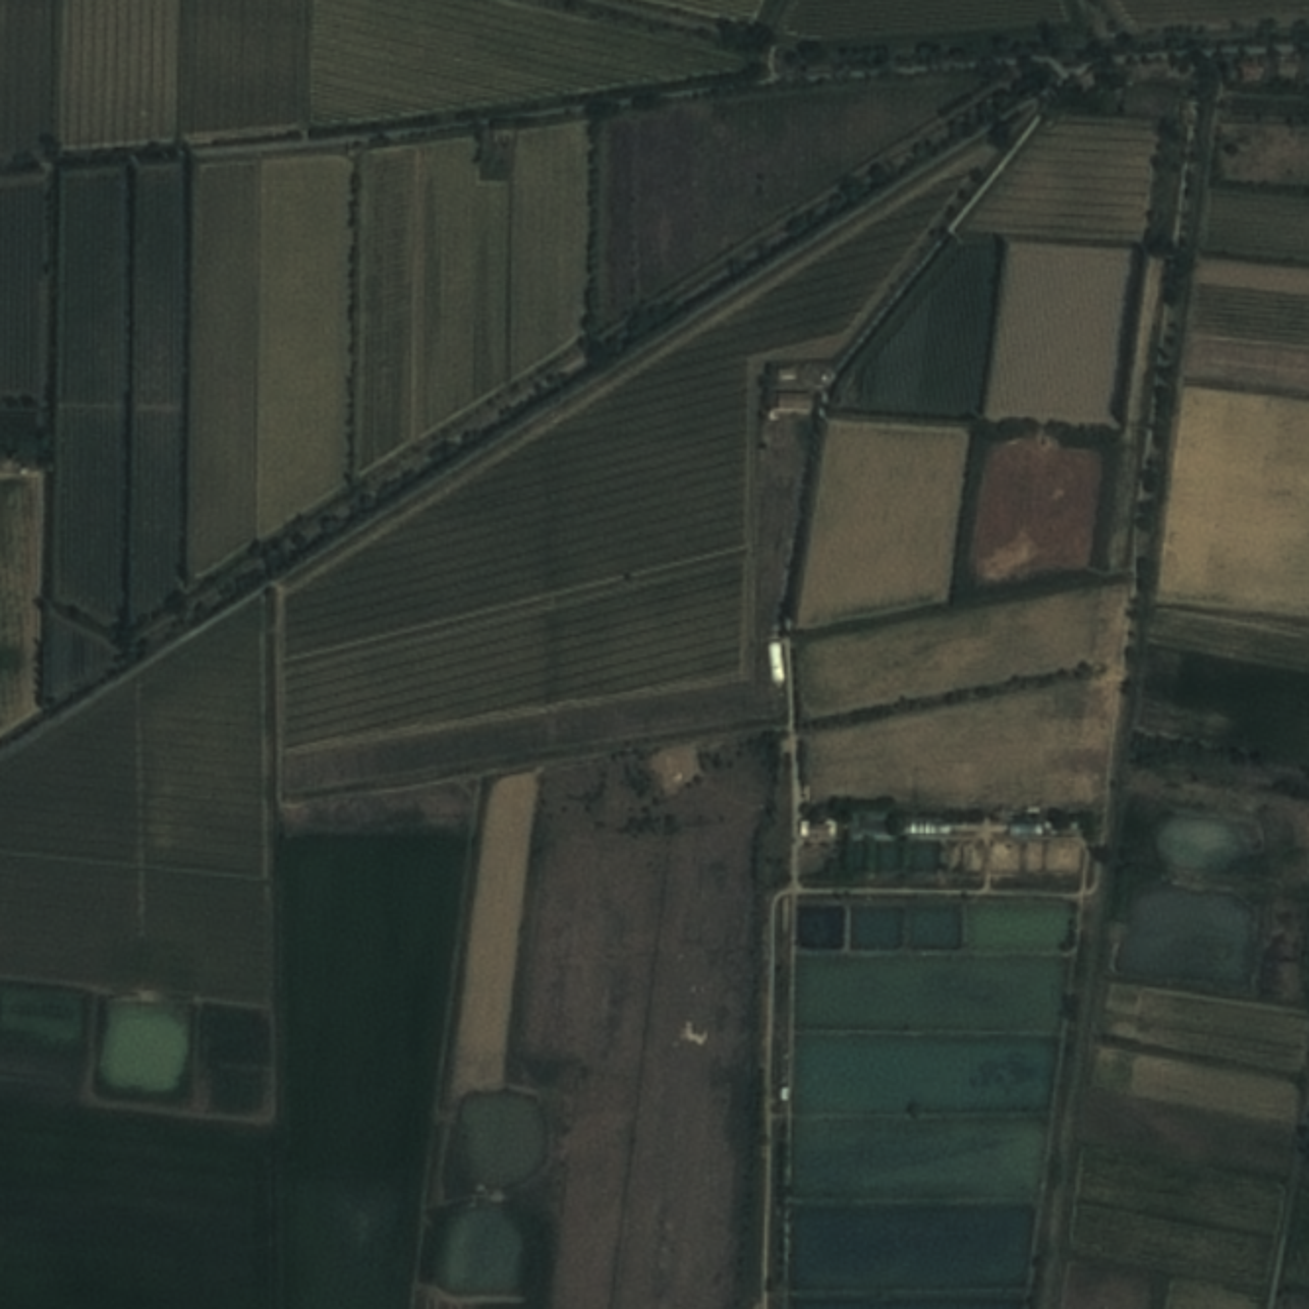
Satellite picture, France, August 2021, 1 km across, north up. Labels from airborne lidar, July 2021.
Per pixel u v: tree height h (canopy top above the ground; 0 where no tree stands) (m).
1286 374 0
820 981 0
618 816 0
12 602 0
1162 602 0
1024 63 13
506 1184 0
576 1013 0
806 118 0
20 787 0
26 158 7
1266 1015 0
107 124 0
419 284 0
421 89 0
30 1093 0
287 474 0
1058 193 0
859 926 0
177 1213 0
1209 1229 0
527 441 0
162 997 0
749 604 0
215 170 0
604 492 0
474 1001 0
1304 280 0
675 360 0
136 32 0
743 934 0
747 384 0
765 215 0
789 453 0
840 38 0
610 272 0
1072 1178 0
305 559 9
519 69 0
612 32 0
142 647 9
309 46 0
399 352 0
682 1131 0
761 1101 7
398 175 0
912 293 13
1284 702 0
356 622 0
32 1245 0
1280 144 0
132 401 16
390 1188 0
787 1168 6
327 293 0
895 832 9
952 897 0
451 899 0
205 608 10
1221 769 0
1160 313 0
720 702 0
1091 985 0
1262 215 0
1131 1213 0
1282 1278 0
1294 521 0
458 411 0
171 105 0
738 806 0
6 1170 0
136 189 17
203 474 0
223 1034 0
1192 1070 0
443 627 0
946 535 0
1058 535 0
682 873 0
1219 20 0
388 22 0
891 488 0
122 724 0
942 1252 0
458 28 0
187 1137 0
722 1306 0
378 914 0
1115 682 0
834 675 0
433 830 0
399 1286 0
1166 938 0
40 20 0
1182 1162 0
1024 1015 0
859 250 0
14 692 0
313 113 0
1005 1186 0
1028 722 0
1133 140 0
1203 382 0
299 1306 0
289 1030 0
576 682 0
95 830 0
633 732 0
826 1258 0
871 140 0
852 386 0
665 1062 0
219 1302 0
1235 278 0
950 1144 0
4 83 0
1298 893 0
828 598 0
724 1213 0
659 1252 0
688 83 6
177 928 0
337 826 0
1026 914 0
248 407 0
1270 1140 0
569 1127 0
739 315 0
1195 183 14
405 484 9
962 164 0
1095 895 0
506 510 0
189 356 12
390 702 0
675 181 0
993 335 9
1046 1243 0
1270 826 0
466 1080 0
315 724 0
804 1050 0
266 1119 0
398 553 0
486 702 0
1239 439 0
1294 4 0
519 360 0
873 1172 0
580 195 0
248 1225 0
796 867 0
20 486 0
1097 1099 0
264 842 0
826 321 0
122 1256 0
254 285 0
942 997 0
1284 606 0
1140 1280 0
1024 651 0
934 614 0
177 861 0
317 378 0
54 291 7
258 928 0
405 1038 0
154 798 0
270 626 0
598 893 0
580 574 0
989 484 0
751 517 0
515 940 0
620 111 9
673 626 0
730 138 0
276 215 0
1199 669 0
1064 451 0
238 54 0
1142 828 0
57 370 13
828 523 0
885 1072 0
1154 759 9
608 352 19
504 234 0
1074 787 0
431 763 0
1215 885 0
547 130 0
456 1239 0
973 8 0
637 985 0
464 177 0
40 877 0
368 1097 0
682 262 0
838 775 0
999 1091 0
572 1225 0
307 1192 0
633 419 0
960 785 0
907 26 0
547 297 0
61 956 0
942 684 0
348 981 0
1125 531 0
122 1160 0
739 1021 0
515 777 0
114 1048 0
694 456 0
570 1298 0
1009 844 0
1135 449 0
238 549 0
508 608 0
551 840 0
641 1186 0
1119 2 0
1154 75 0
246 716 0
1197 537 0
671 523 0
